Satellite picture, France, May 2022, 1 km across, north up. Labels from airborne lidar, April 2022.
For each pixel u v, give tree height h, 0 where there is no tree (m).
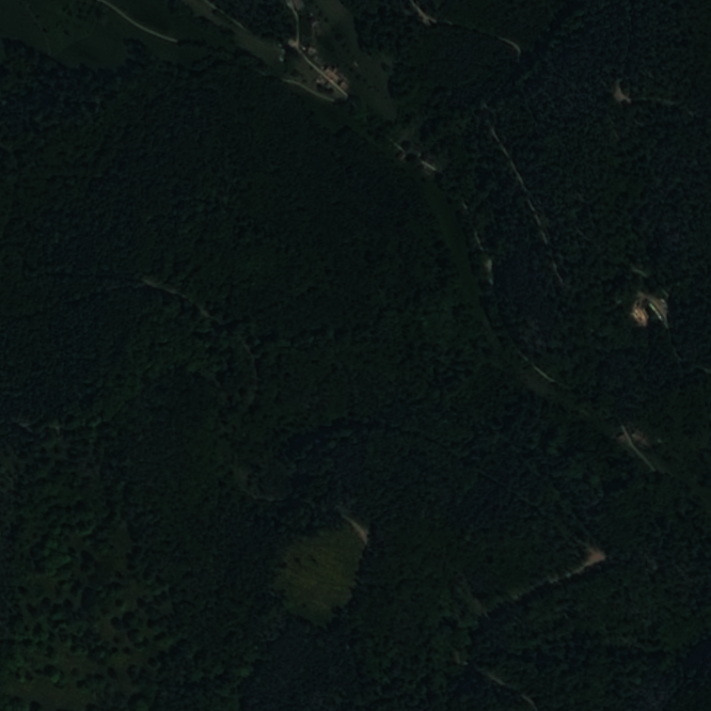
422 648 36
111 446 19
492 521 23
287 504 6
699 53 19
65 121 9
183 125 23
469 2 10
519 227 27
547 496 23
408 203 14
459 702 28
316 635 25
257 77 10
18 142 12
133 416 21
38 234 30
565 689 25
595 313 33
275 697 24
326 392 20
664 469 0
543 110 18
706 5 24
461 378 27
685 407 9
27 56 37
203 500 17
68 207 28
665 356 11
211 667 15
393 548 19
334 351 21
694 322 18
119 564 0
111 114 17
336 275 12
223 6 12
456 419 27
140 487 24
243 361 16
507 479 26
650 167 28
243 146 15
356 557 0
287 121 11
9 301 25
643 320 0
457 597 28
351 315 10
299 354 23
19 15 0
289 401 21
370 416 22
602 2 28
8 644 14
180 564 21
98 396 27
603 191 24
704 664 36
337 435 24
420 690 35
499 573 24
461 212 15
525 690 21
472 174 10
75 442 22
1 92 30
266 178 11
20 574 22
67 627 16
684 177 29
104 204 27
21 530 18
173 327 31
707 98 21
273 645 27
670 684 17
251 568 22
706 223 23
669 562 13
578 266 22
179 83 23
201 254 21
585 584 26
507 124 17
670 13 19
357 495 22
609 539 15
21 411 22
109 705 11
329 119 0
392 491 29
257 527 27
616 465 22
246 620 29
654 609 27
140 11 0
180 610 18
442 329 21
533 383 0
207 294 15
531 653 16
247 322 27
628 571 23
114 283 22
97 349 25
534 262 30
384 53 21
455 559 32
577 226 23
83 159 20
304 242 10
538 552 24
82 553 0
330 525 21
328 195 10
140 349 26
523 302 28
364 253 9
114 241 25
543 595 30
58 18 0
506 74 13
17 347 22
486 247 18
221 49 6
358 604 25
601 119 22
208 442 19
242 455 6
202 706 27
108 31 0
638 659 24
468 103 15
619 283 35
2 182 17
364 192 11
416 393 24
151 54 22
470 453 20
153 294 22
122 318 25
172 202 18
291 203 11
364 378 21
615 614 24
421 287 13
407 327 10
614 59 26
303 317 14
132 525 15
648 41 25
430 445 21
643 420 6
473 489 20
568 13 32
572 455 25
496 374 9
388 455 23
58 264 28
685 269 16
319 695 21
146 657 0
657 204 33
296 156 16
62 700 0
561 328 20
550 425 10
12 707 15
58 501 10
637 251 37
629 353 29
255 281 15
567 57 30
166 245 25
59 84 37
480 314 0
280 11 31
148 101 25
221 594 21
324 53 0
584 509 9
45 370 23
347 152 12
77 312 23
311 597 0
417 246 9
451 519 17
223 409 18
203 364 25
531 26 9
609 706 30
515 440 26
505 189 34
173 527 22
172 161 25
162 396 23
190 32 0
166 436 25
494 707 28
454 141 9
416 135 0
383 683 15
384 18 26
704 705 14
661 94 22
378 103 0
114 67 0
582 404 13
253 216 9
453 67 14
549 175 27
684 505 24
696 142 20
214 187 22
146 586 11
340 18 0
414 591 28
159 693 23
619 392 30
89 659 19
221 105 9
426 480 22
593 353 24
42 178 22
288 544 18
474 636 26
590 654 31
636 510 14
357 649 18
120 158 22
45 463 22
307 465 32
